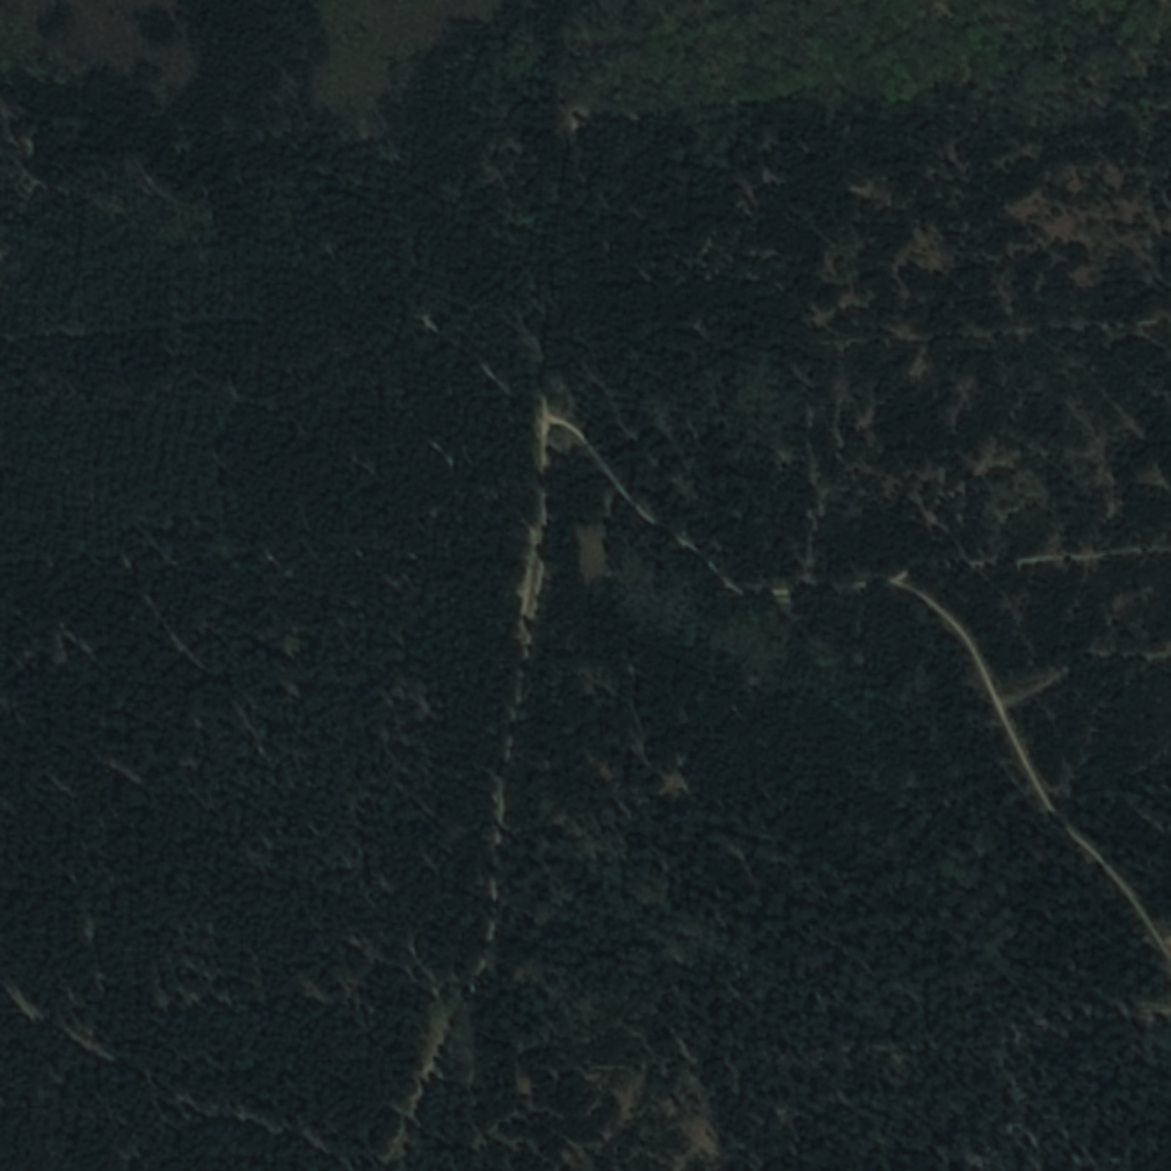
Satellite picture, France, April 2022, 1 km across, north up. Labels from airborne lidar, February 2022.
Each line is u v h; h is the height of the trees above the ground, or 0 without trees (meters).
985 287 12
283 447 28
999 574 10
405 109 15
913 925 36
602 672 17
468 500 20
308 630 36
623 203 18
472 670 21
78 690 29
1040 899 20
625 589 19
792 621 14
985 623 8
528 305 21
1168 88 7
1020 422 6
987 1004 20
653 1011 33
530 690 9
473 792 14
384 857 32
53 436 23
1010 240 8
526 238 18
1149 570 6
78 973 29
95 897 29
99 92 23
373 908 31
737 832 17
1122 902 9
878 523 15
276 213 20
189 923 28
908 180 14
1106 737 12
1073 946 16
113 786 33
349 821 29
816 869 18
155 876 31
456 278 26
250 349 27
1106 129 13
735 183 22
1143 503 14
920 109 15
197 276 18
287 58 25
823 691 17
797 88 27
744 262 15
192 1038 30
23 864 32
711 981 33
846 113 21
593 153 23
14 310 8
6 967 28
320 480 29
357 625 33
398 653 27
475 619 22
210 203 22
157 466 23
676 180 25
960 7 28
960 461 11
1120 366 10
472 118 18
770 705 21
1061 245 9
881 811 23
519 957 7
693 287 11
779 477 6
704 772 22
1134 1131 12
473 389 28
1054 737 10
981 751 21
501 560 16
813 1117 20
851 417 7
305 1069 26
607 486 30
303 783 27
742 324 9
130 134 12
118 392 19
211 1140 32
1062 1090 41
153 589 25
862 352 6
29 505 25
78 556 24
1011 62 29
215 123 22
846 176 19
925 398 8
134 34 14
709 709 20
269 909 31
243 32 21
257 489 32
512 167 13
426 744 31
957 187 7
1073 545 13
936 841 16
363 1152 28
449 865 30
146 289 22
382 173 23
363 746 32
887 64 27
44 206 8
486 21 9
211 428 24
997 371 12
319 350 30
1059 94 28
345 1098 30
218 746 28
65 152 10
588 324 25
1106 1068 37
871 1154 32
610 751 9
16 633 28
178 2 14
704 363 20
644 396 11
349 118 19
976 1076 39
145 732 29
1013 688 0
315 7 20
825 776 24
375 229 25
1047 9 28
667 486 26
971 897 18
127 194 16
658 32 24
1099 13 24
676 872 9
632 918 22
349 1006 24
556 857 16
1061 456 8
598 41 21
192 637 28
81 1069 30
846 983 35
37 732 31
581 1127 7
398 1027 33
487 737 18
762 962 27
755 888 16
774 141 26
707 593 18
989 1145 36
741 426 25
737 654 17
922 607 24
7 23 17
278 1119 31
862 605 20
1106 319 8
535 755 6
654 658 16
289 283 26
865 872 20
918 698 22
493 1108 7
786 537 7
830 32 25
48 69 23
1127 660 7
